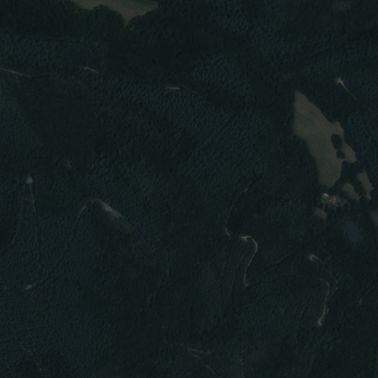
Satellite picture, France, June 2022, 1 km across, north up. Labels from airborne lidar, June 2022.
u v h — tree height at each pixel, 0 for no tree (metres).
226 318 24
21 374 22
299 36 25
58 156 8
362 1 17
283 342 21
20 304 21
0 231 26
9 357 31
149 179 17
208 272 20
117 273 15
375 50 28
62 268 28
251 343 19
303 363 27
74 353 27
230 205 23
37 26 16
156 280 16
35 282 33
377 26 18
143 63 11
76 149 14
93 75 16
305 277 20
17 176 16
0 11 8
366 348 11
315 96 27
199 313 19
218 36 26
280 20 22
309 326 22
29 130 19
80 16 21
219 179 32
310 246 21
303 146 24
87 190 14
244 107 24
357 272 25
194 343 23
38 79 17
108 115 17
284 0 23
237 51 29
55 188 10
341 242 23
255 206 26
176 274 19
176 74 19
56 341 25
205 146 34
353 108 21
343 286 21
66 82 12
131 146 9
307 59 28
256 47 35
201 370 18
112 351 25
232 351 19
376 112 13
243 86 38
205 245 23
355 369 9
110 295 30
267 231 17
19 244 25
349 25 22
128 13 0
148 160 10
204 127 38
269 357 21
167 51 14
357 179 21
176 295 15
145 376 13
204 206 28
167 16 21
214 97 25
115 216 0
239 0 25
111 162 11
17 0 11
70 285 32
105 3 0
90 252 29
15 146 28
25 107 9
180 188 26
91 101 16
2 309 24
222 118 39
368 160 27
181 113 38
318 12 18
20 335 22
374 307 12
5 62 16
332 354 14
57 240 28
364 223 21
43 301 28
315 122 0
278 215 20
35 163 10
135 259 10
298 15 17
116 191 24
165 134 12
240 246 15
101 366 14
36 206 18
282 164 23
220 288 16
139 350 13
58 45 25
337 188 21
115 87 29
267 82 29
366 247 17
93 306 23
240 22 39
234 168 29
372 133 31
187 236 27
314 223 30
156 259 14
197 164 30
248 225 21
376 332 9
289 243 19
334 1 20
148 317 15
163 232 18
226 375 21
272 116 21
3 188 26
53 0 22
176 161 10
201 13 21
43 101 18
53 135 10
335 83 9
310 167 27
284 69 23
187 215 16
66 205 12
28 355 25
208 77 35
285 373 23
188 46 17
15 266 27
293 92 9
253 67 32
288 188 20
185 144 15
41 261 30
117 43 19
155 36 22
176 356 19
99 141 16
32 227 23
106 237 16
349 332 8
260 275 22
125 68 18
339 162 0
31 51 40
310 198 24
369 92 19
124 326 18
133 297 17
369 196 0
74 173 13
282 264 31
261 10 29
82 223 23
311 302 19
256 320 19
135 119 20
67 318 28
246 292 27
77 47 24
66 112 16
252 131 33
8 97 6
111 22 22
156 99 36
